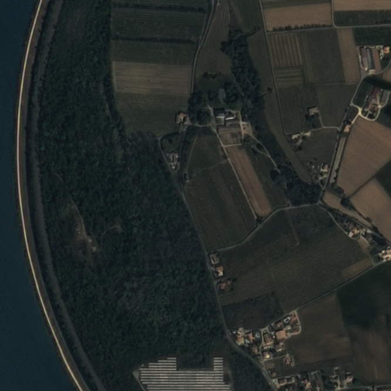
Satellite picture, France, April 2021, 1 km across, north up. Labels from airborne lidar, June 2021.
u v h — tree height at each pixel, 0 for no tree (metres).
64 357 0
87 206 26
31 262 0
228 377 0
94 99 30
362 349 0
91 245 0
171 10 15
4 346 0
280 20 0
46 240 0
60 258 22
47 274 13
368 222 11
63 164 33
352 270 0
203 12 19
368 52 0
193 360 11
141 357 17
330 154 0
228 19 0
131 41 9
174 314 27
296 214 0
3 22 0
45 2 0
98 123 31
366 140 0
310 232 0
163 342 12
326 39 0
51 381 0
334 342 0
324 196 0
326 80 0
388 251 0
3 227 0
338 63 0
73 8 7
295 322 0
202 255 28
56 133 21
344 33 0
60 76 7
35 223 10
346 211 0
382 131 0
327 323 0
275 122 0
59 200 21
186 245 33
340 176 0
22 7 0
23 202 0
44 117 12
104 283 34
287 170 8
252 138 0
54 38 11
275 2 0
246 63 13
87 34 7
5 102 0
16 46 0
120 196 28
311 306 0
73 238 0
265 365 0
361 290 0
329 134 0
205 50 0
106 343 19
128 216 25
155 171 25
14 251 0
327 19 0
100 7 12
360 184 0
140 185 20
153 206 30
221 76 14
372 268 0
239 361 7
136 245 23
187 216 21
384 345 0
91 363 8
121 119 31
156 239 23
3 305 0
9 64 0
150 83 0
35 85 8
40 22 0
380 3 0
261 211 0
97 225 18
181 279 23
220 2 0
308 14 0
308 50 0
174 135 7
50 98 22
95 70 28
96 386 18
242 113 7
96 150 20
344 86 0
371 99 0
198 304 10
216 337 24
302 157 0
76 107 27
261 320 0
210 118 25
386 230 0
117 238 17
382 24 8
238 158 0
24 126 0
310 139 0
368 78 0
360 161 0
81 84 29
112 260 6
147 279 28
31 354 0
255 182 0
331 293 0
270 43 0
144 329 25
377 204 0
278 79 0
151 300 26
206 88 0
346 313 0
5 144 0
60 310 20
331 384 12
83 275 32
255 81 15
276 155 10
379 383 0
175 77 0
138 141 30
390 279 0
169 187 21
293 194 16
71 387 0
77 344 0
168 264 25
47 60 11
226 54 18
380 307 0
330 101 0
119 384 18
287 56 0
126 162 24
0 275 0
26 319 0
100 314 22
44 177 22
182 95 0
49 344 0
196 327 29
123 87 0
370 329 0
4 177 0
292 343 0
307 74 0
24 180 0
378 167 0
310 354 0
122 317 19
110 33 16
